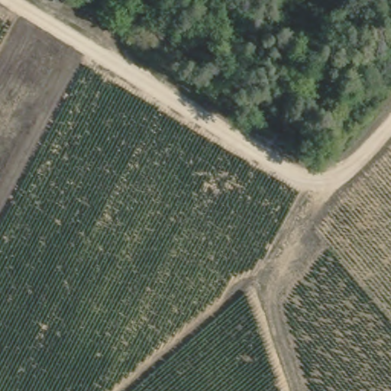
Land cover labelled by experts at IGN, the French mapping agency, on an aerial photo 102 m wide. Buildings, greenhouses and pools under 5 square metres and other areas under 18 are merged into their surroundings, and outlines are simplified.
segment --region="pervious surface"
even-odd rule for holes
[[[95,41],[73,31],[72,27],[66,26],[57,18],[24,0],[0,0],[0,3],[20,17],[37,24],[58,40],[75,47],[82,53],[82,63],[101,75],[104,81],[115,82],[127,92],[156,105],[170,118],[185,124],[195,133],[202,134],[235,156],[247,160],[249,165],[287,183],[296,191],[325,192],[330,197],[391,137],[391,113],[367,141],[347,159],[316,174],[309,173],[304,166],[299,165],[292,162],[273,162],[264,151],[258,150],[254,144],[246,141],[246,137],[240,131],[234,130],[220,115],[209,116],[209,119],[199,118],[191,105],[180,101],[177,90],[171,84],[159,81],[150,70],[128,63],[116,49],[104,49]]]

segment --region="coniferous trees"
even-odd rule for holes
[[[183,12],[183,6],[188,5],[189,0],[142,0],[142,11],[134,15],[128,31],[119,35],[111,29],[110,21],[116,17],[116,12],[121,11],[121,3],[124,0],[58,0],[72,6],[75,17],[90,21],[93,27],[99,27],[101,31],[110,32],[111,38],[115,40],[116,49],[128,63],[150,70],[159,81],[171,84],[177,90],[180,101],[191,105],[199,118],[209,119],[209,116],[220,115],[234,130],[240,131],[246,137],[246,141],[254,144],[258,150],[264,151],[273,162],[292,162],[299,165],[313,151],[321,150],[324,142],[333,141],[336,134],[350,131],[354,124],[364,121],[368,110],[377,107],[377,96],[385,87],[391,87],[391,0],[226,0],[228,11],[221,9],[217,15],[212,15],[206,12],[203,5],[195,5],[191,12]]]

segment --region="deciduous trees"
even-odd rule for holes
[[[128,31],[134,15],[142,11],[142,0],[124,0],[121,3],[121,11],[116,12],[116,17],[110,21],[111,29],[119,35]]]
[[[203,5],[206,12],[212,15],[217,15],[221,9],[228,11],[226,0],[189,0],[188,5],[183,6],[183,12],[191,12],[195,5]]]
[[[313,151],[299,165],[304,166],[309,173],[316,174],[347,159],[367,141],[391,113],[391,87],[385,87],[377,96],[377,107],[368,110],[364,121],[354,124],[350,131],[336,134],[333,141],[324,142],[321,150]]]

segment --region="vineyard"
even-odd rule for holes
[[[324,254],[313,264],[310,272],[296,284],[284,304],[287,324],[295,338],[295,350],[309,391],[391,391],[391,137],[330,197],[310,223],[319,237],[327,237],[328,249],[324,250]]]
[[[20,17],[0,3],[0,391],[108,391],[122,377],[133,371],[160,342],[165,342],[173,336],[185,322],[205,310],[206,305],[218,298],[221,290],[225,289],[231,280],[231,276],[252,269],[258,260],[264,257],[266,244],[273,240],[283,225],[296,191],[287,183],[249,165],[247,160],[235,156],[202,134],[195,133],[185,124],[170,118],[156,105],[127,92],[115,82],[104,81],[101,75],[82,63],[82,53],[75,47],[58,40],[37,24]]]
[[[220,309],[215,310],[191,333],[186,334],[182,341],[177,342],[170,351],[166,351],[122,391],[280,391],[276,386],[276,376],[270,365],[249,299],[243,290],[237,290],[220,305]]]

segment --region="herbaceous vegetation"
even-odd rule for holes
[[[273,240],[266,244],[264,257],[258,260],[252,269],[231,276],[231,280],[225,289],[221,290],[218,298],[206,305],[205,310],[185,322],[173,336],[165,342],[160,342],[133,371],[122,377],[108,391],[122,391],[166,351],[170,351],[177,342],[182,341],[186,334],[191,333],[215,310],[220,309],[220,305],[237,290],[243,290],[249,299],[270,365],[276,376],[276,386],[280,391],[309,391],[295,350],[295,338],[287,324],[284,304],[296,284],[310,272],[313,264],[324,254],[324,250],[328,249],[327,237],[319,237],[310,223],[330,197],[325,192],[296,191],[283,225]]]
[[[104,49],[116,49],[115,40],[111,38],[110,32],[101,31],[99,27],[93,27],[90,21],[75,17],[72,6],[58,0],[24,0],[57,18],[66,26],[72,27],[73,31],[95,41]]]

